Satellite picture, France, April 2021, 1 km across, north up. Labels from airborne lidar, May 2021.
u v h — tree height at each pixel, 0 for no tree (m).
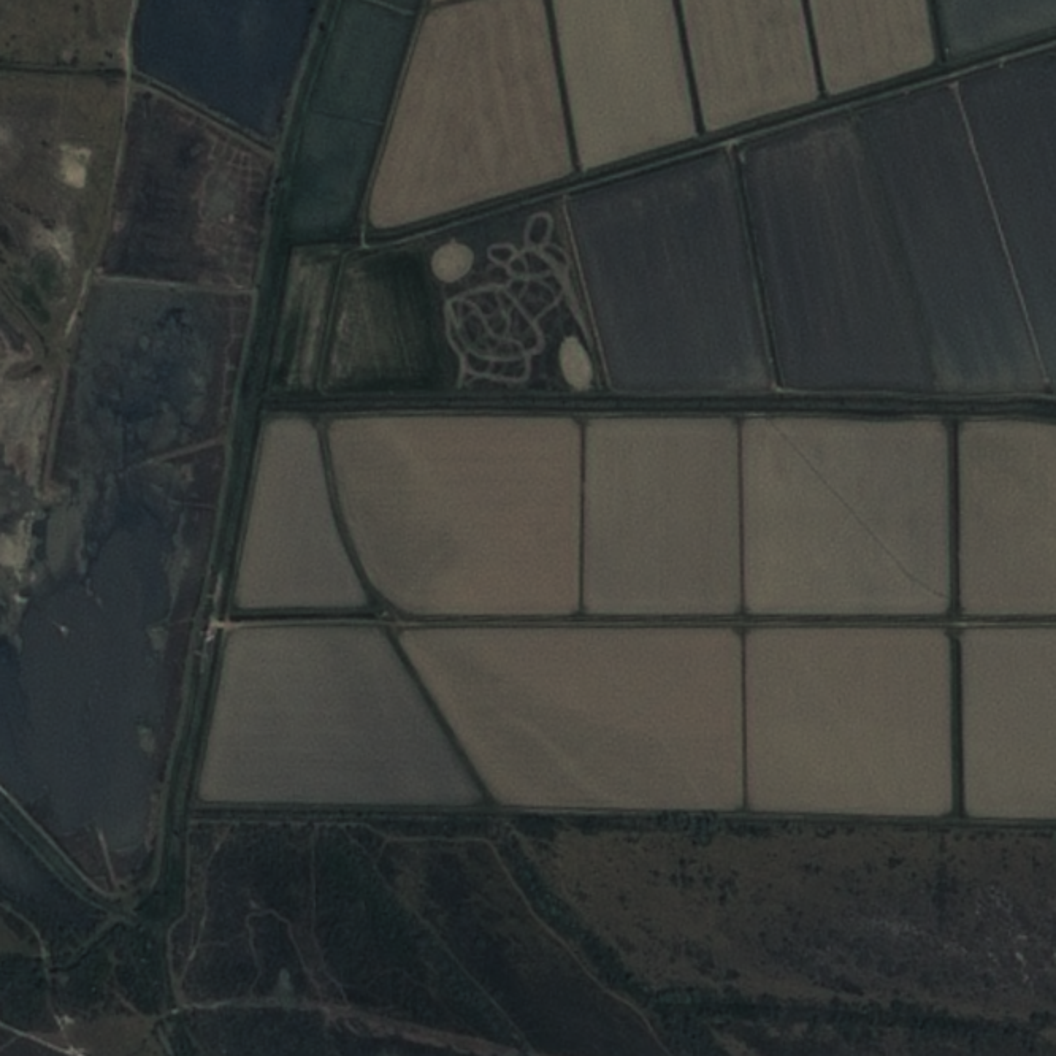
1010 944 0
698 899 0
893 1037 0
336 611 0
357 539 0
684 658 0
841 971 0
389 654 0
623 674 0
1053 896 0
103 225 0
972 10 0
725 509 0
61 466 0
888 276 0
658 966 0
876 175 0
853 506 0
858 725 0
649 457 0
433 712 0
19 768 0
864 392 0
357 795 0
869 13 0
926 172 0
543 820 8
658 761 0
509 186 0
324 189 0
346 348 0
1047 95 0
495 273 0
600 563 0
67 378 0
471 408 0
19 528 0
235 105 0
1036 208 0
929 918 0
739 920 0
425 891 0
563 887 0
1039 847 0
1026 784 0
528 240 0
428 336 0
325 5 0
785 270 0
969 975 0
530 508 0
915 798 0
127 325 0
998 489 0
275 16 0
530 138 0
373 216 0
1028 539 0
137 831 0
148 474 0
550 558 0
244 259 0
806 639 0
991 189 0
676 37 0
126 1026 0
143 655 0
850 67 0
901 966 0
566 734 0
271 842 6
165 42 0
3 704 0
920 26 0
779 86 0
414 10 0
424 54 0
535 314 0
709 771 0
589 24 0
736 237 0
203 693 0
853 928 0
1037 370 0
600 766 0
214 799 0
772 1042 0
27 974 6
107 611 0
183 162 0
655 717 0
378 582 0
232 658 0
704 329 0
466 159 0
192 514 0
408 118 0
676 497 0
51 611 0
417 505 0
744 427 0
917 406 0
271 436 0
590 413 0
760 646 0
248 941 0
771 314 0
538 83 0
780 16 0
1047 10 0
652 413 0
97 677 0
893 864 0
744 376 0
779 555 0
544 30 0
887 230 0
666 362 0
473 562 0
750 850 0
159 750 0
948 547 0
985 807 0
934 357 0
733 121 0
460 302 0
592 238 0
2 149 0
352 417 0
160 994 7
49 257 0
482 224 0
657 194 0
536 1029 0
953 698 0
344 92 0
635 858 0
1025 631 0
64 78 0
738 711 0
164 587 0
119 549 0
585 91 0
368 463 0
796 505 0
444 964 6
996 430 0
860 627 0
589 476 0
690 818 12
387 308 0
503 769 0
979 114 0
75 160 0
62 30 0
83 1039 0
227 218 0
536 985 0
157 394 0
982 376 0
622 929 0
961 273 0
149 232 0
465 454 0
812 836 0
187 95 0
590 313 0
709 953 0
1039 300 0
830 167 0
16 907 6
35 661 0
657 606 0
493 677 0
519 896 0
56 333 0
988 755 0
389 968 0
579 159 0
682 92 0
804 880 0
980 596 0
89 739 0
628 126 0
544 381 0
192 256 0
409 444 0
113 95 0
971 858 0
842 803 0
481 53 0
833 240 0
